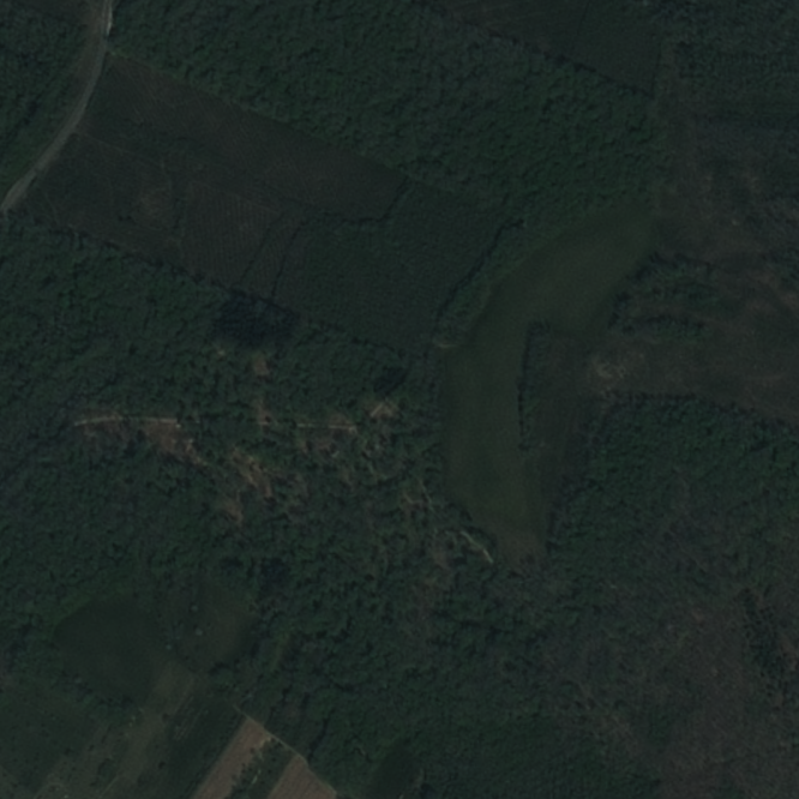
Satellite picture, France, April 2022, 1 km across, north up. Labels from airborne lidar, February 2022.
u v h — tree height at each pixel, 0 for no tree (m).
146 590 21
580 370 0
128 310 25
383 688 29
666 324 17
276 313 26
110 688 0
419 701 25
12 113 19
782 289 0
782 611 14
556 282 0
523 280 0
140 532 27
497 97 31
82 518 26
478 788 17
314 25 27
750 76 15
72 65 13
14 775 0
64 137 0
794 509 29
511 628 25
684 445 25
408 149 30
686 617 31
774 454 19
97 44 0
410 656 29
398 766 0
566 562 24
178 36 26
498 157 26
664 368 0
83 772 0
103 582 24
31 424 6
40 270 24
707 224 0
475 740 17
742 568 28
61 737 0
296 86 18
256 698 6
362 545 31
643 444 20
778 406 0
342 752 21
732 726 18
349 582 22
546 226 26
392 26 26
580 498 16
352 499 24
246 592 26
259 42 26
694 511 30
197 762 0
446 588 28
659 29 15
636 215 0
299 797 0
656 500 27
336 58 22
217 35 22
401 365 24
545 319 0
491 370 0
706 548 33
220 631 0
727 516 31
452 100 22
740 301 0
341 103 21
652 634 29
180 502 26
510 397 0
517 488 0
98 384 15
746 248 0
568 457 0
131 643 0
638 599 31
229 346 29
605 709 24
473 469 0
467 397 0
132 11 25
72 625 0
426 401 26
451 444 0
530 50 15
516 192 25
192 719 0
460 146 29
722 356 0
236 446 29
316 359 25
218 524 30
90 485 22
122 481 27
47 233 29
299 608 26
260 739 0
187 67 19
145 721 0
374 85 25
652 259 0
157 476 27
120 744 0
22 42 23
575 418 0
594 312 0
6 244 26
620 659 30
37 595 22
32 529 27
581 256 0
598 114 26
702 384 0
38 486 24
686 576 31
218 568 28
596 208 26
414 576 25
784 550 18
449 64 26
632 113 31
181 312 23
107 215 0
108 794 0
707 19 26
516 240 24
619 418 23
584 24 6
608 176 25
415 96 20
